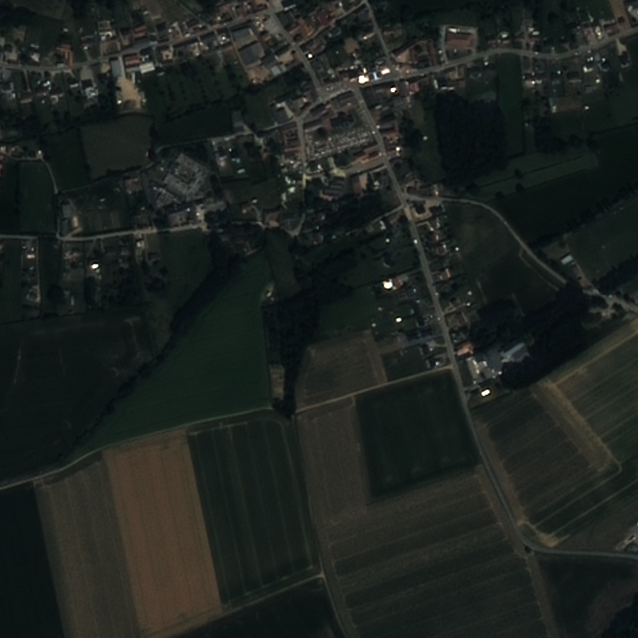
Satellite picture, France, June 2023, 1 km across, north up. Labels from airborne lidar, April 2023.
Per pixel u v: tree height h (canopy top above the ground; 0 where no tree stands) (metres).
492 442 0
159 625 0
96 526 0
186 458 0
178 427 0
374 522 0
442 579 0
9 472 0
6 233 0
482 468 0
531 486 0
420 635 0
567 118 0
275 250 0
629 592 0
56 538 0
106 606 0
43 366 0
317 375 0
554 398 0
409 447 0
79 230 0
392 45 0
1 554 0
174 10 0
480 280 0
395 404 0
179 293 0
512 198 0
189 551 0
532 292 0
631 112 0
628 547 0
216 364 0
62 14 0
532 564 0
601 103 0
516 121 0
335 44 7
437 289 0
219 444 0
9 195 0
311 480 0
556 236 6
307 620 0
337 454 0
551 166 0
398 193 0
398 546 0
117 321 0
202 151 15
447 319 0
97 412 0
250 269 0
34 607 0
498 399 0
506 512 0
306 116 0
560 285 0
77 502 0
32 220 0
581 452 0
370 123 0
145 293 0
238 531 0
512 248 0
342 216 13
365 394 0
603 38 0
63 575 0
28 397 0
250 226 10
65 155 0
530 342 0
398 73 0
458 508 0
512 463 0
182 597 0
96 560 0
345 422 0
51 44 0
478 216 0
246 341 0
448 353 0
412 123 7
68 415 0
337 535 0
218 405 0
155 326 0
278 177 0
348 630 0
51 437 0
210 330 0
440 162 0
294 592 0
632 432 0
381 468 0
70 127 6
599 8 0
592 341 0
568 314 27
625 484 0
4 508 0
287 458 0
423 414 0
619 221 0
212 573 0
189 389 0
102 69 0
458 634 0
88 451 0
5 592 0
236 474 0
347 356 0
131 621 0
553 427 0
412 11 14
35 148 0
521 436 0
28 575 0
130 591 0
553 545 0
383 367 0
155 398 0
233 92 0
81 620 0
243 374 0
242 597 0
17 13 14
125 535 0
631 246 0
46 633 0
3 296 0
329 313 0
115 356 0
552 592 0
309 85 0
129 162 0
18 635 0
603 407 0
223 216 17
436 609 0
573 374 0
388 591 0
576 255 0
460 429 0
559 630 0
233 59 0
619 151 0
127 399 0
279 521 0
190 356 0
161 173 0
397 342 0
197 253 0
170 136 0
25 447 0
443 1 0
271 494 0
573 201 0
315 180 9
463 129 31
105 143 0
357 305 0
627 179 0
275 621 0
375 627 0
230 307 0
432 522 0
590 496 0
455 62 0
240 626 0
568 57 0
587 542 0
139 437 0
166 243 0
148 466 0
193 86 0
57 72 0
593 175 0
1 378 0
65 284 0
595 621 0
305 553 0
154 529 0
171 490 0
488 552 0
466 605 0
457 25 0
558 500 0
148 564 0
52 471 0
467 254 0
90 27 0
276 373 0
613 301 0
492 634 0
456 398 0
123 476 0
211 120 0
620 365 0
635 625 19
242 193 0
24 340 0
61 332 0
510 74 0
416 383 0
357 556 0
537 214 0
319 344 0
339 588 0
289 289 0
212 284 26
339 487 0
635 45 0
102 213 0
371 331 0
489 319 25
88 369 0
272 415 0
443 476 0
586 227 0
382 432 0
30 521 0
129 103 0
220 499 0
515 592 0
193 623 0
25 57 11
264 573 0
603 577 0
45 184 0
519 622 0
